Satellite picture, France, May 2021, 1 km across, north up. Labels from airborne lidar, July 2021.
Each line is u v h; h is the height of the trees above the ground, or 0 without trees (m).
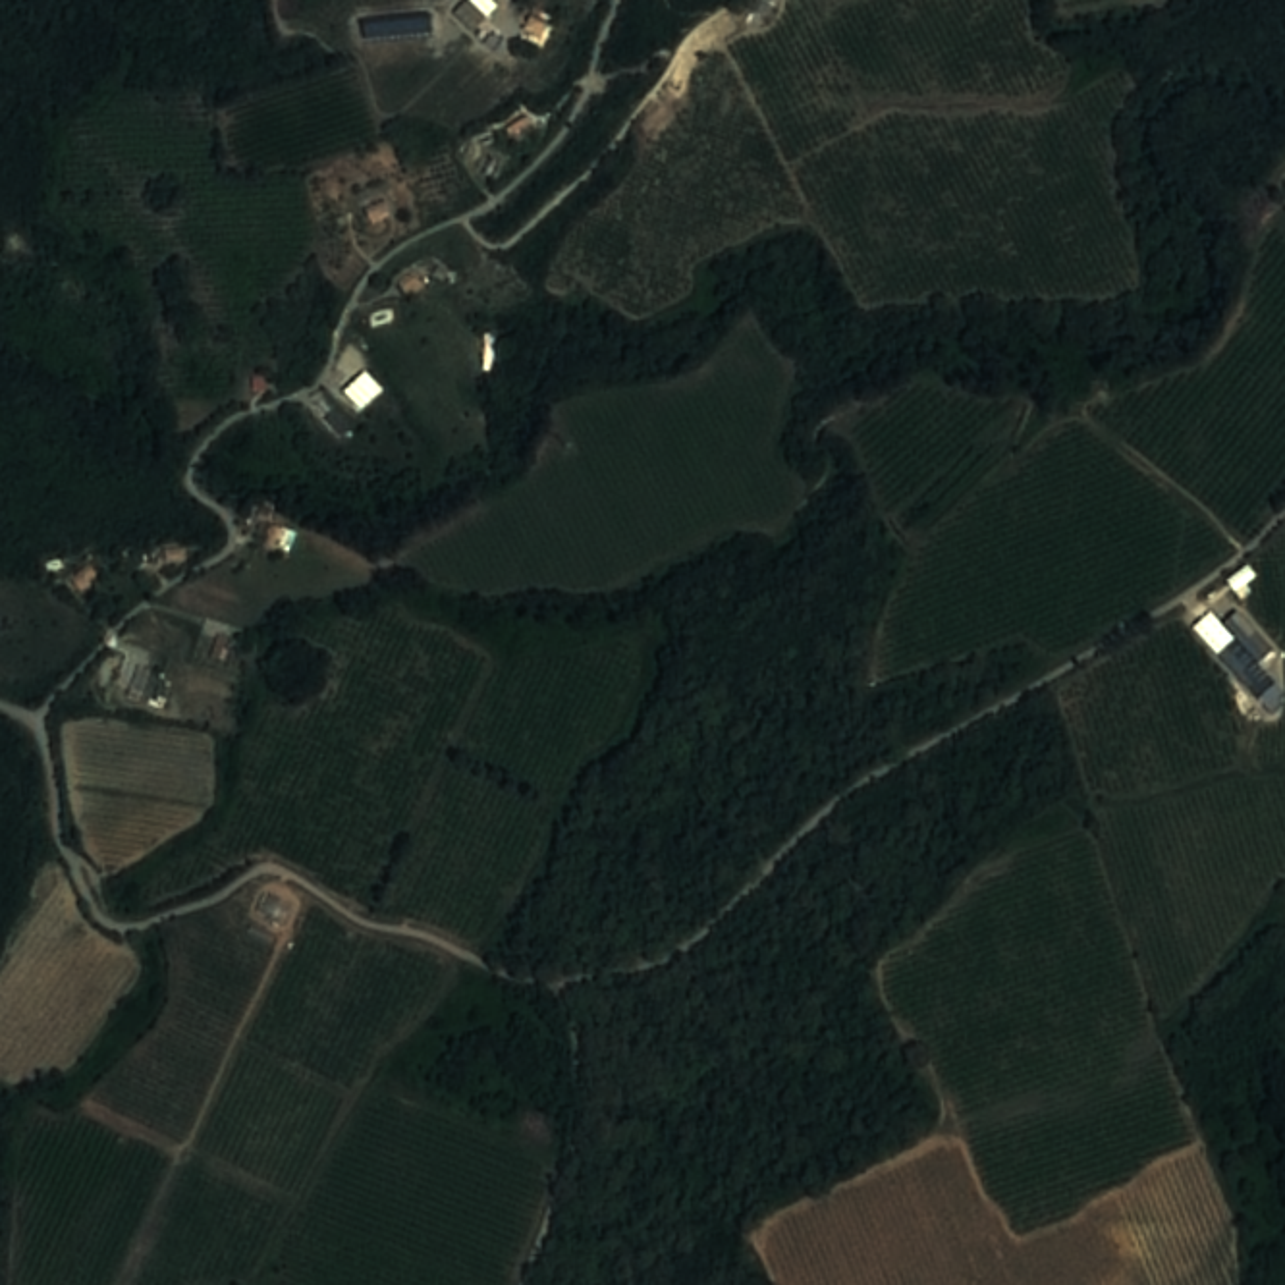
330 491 9
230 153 12
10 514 7
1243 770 0
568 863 15
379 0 0
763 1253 0
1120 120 11
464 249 0
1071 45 13
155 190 8
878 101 0
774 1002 15
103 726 0
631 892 13
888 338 9
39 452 6
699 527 0
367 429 9
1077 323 20
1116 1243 0
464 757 21
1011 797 15
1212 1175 0
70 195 10
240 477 11
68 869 9
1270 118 10
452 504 21
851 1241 0
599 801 15
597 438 0
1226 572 9
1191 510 0
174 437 9
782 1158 12
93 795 0
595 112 9
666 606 9
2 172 9
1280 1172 15
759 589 10
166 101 6
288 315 6
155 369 7
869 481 15
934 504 7
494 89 0
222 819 7
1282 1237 6
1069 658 0
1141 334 26
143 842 0
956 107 0
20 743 9
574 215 12
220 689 0
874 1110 15
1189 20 18
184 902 7
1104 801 7
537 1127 0
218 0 6
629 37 11
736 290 13
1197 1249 0
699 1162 13
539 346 11
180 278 11
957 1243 0
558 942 17
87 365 5
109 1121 0
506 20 0
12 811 7
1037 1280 0
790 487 0
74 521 6
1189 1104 8
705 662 9
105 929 9
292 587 0
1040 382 12
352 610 22
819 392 18
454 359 0
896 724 12
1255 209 0
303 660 11
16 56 9
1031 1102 0
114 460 10
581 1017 13
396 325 0
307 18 0
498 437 9
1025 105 0
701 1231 13
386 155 0
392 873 12
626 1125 18
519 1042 9
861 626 15
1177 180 9
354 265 0
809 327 12
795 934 8
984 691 14
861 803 9
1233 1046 8
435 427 0
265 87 16
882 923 15
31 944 0
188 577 8
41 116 10
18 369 13
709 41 0
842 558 10
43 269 6
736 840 19
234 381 7
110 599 10
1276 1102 21
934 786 13
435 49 0
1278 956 8
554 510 0
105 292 8
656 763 14
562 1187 16
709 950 13
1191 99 21
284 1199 0
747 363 0
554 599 16
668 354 16
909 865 17
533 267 6
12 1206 14
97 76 9
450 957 0
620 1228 13
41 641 0
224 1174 0
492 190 8
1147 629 24
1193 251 18
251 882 0
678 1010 16
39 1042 0
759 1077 17
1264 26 14
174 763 0
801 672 9
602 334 11
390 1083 0
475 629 7
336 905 0
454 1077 9
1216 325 10
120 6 12
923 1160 0
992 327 21
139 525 7
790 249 21
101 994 0
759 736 15
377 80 0
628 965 15
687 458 0
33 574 6
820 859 9
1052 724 8
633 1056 16
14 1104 10
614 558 0
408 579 26
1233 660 0
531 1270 13
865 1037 10
